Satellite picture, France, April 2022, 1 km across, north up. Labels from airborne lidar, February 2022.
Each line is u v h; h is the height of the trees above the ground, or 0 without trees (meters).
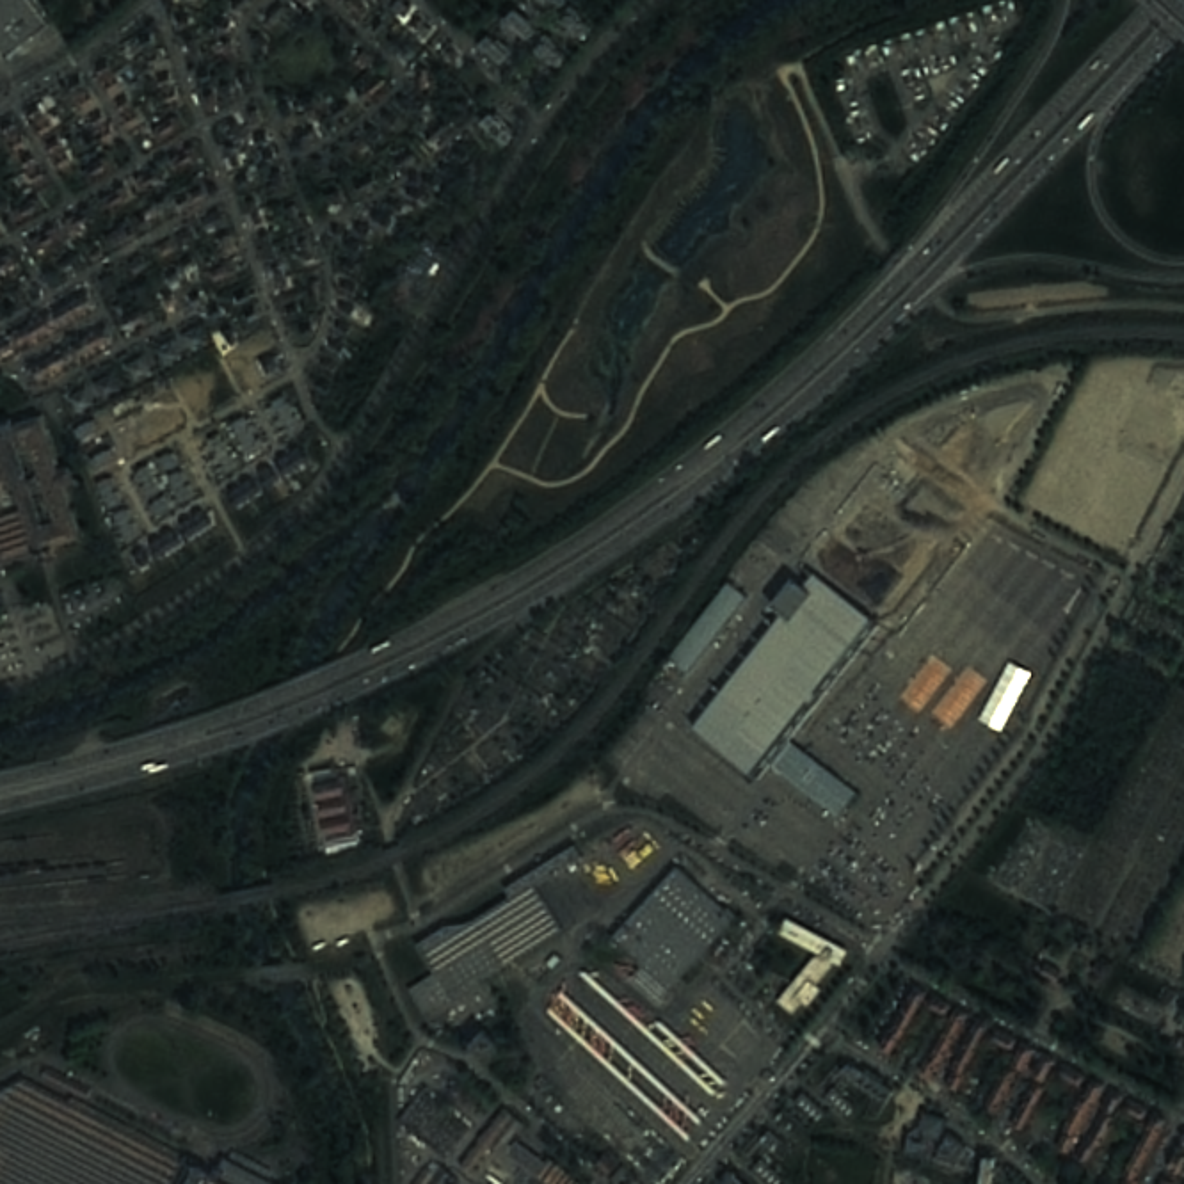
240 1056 0
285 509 0
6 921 0
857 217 0
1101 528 0
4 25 0
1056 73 0
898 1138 0
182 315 0
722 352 0
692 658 0
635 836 0
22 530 0
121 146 8
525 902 0
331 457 0
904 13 18
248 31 0
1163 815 0
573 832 0
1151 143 0
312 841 0
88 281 0
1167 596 12
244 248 0
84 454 22
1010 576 0
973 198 0
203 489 0
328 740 0
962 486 0
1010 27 0
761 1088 0
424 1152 0
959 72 0
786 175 0
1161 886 0
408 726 0
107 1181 0
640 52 10
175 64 0
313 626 0
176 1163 0
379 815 0
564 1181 0
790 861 0
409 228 9
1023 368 8
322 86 14
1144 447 0
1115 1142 0
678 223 0
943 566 0
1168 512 0
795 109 0
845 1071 0
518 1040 8
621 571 0
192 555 0
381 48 0
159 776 0
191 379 0
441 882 0
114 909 0
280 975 0
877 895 0
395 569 0
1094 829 14
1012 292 0
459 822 0
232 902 0
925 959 0
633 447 0
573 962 0
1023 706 0
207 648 8
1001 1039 0
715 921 0
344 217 0
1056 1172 0
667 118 27
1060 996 0
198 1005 24
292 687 0
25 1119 0
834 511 0
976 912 0
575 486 0
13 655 0
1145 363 0
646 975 0
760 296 0
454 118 8
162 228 0
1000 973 13
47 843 0
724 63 27
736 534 0
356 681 0
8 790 0
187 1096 0
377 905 0
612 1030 0
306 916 0
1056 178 0
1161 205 0
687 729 0
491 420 0
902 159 0
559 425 0
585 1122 0
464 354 9
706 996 0
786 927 0
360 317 0
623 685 0
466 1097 12
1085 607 0
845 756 0
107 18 9
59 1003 0
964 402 0
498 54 0
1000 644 0
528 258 10
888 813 0
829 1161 0
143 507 0
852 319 0
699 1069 0
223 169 0
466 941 0
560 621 0
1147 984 0
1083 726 11
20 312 0
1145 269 0
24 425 0
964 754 0
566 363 0
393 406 6
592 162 13
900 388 0
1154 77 7
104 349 0
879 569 0
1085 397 0
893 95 0
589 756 11
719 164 0
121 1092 0
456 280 16
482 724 0
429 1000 0
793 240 0
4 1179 0
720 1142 0
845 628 0
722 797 0
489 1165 0
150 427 0
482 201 15
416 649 0
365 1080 6
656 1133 0
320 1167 13
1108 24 0
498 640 0
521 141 13
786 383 0
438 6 12
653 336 0
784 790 0
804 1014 0
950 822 14
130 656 9
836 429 0
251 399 0
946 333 0
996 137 0
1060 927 16
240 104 0
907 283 0
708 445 0
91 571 0
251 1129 0
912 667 0
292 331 0
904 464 0
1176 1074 15
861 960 0
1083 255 0
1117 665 17
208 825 12
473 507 0
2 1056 0
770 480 0
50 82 6
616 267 0
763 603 0
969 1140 0
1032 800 7
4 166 6
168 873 0
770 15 29
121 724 0
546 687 0
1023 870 0
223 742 0
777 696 0
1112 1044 0
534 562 0
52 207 0
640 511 0
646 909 0
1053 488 0
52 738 19
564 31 6
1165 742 0
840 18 11
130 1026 0
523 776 0
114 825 0
